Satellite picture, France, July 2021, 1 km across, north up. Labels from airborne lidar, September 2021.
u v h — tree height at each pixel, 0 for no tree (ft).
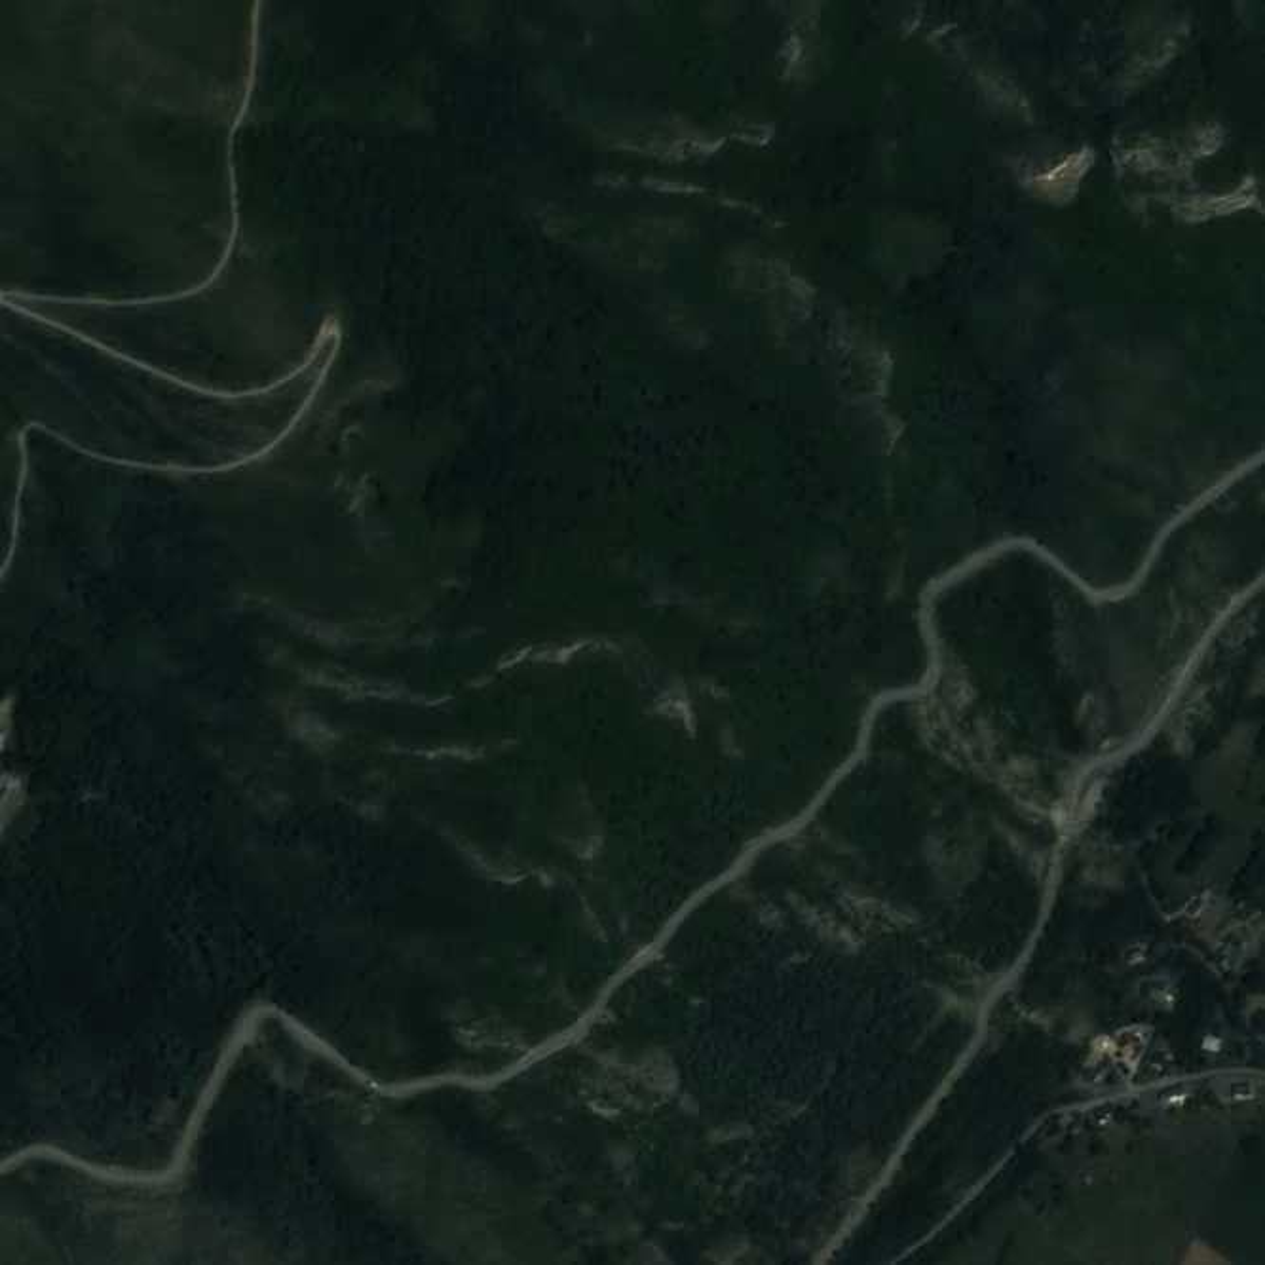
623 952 18
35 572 0
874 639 25
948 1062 22
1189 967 38
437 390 53
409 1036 19
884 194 27
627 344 29
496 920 20
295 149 31
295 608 0
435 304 34
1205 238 19
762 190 19
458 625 23
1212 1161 0
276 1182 45
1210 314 19
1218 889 0
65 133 0
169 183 0
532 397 45
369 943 18
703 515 31
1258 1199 0
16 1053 52
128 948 60
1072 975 23
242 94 0
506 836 18
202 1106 0
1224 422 25
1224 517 21
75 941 51
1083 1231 0
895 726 27
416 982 20
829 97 27
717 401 24
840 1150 57
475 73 30
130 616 30
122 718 56
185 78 0
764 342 37
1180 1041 21
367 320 19
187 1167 0
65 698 54
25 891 33
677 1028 21
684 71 24
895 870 31
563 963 33
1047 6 46
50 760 29
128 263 0
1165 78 18
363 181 25
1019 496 33
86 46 0
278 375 0
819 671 18
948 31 17
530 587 26
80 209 0
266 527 0
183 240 0
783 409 22
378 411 0
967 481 21
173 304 0
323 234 21
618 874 19
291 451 0
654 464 20
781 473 25
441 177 17
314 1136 55
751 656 37
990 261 26
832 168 30
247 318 0
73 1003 49
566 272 66
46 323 0
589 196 19
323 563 0
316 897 19
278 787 20
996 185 19
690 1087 34
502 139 37
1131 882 18
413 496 0
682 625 21
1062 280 18
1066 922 44
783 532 50
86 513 20
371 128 32
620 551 30
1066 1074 41
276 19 0
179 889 60
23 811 0
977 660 24
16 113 0
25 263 0
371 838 26
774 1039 47
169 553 21
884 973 30
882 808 20
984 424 22
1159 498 31
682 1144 25
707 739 18
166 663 0
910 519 31
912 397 20
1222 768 0
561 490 39
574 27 22
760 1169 31
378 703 26
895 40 19
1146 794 49
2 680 33
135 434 0
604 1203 24
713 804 34
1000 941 38
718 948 25
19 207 0
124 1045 56
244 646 21
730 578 18
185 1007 49
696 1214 32
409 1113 37
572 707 22
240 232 0
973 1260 0
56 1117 39
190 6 0
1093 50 45
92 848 50
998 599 48
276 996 40
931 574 23
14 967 29
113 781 49
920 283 66
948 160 19
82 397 0
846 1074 66
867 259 41
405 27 23
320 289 20
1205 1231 0
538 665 25
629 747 26
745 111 24
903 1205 34
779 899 21
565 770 30
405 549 0
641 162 19
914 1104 33
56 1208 42
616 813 41
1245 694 36
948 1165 42
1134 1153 30
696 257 20
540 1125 19
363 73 24
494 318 50
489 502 27
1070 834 0
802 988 46
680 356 29
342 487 0
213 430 0
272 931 44
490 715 20
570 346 24
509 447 40
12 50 0
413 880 19
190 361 0
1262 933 0
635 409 41
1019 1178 52
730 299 18
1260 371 19
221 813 21
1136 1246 0
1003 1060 37
